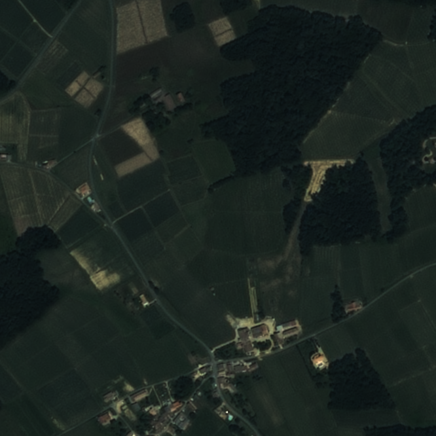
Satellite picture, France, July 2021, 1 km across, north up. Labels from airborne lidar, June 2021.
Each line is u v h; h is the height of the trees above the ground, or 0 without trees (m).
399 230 18
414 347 0
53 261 0
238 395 9
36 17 0
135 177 0
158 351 0
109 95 0
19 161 0
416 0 20
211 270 0
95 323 0
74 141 0
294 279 0
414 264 0
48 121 0
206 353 0
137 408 0
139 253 0
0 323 20
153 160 0
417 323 0
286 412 0
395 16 0
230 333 0
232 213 0
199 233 0
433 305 0
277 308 0
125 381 0
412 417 0
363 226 17
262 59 14
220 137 12
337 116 0
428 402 0
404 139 26
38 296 18
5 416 0
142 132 0
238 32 0
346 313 7
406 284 0
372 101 0
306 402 0
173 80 0
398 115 0
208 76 0
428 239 0
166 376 0
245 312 0
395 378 0
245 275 0
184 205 0
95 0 0
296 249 0
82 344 0
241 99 21
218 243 0
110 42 0
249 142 19
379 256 0
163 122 10
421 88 0
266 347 6
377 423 0
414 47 0
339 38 9
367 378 18
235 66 0
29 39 0
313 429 0
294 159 21
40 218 0
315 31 23
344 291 0
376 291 0
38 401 0
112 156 0
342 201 19
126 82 0
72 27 0
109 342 0
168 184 0
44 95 0
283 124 12
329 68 12
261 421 0
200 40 0
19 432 0
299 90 20
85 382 0
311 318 0
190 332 0
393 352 0
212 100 0
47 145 0
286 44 21
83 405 0
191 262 0
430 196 0
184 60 0
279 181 0
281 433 0
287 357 0
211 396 10
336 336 0
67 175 0
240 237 0
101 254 0
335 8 0
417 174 10
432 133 19
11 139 0
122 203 0
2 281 32
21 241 20
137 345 0
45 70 0
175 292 0
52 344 0
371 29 14
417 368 0
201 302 0
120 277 0
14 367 0
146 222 0
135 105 8
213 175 0
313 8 0
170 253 0
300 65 26
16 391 0
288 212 22
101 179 0
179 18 13
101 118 0
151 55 0
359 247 0
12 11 0
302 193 7
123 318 0
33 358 0
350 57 16
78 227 0
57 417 0
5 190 0
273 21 17
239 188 0
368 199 17
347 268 0
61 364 0
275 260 0
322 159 0
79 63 0
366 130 0
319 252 0
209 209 0
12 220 0
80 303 0
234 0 19
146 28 0
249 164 23
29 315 19
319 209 17
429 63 0
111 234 0
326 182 15
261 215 0
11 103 0
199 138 0
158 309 0
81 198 0
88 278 0
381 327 0
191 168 0
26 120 0
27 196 0
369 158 0
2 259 15
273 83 18
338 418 0
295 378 0
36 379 0
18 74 0
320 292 0
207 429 0
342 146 0
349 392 19
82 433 0
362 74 0
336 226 17
